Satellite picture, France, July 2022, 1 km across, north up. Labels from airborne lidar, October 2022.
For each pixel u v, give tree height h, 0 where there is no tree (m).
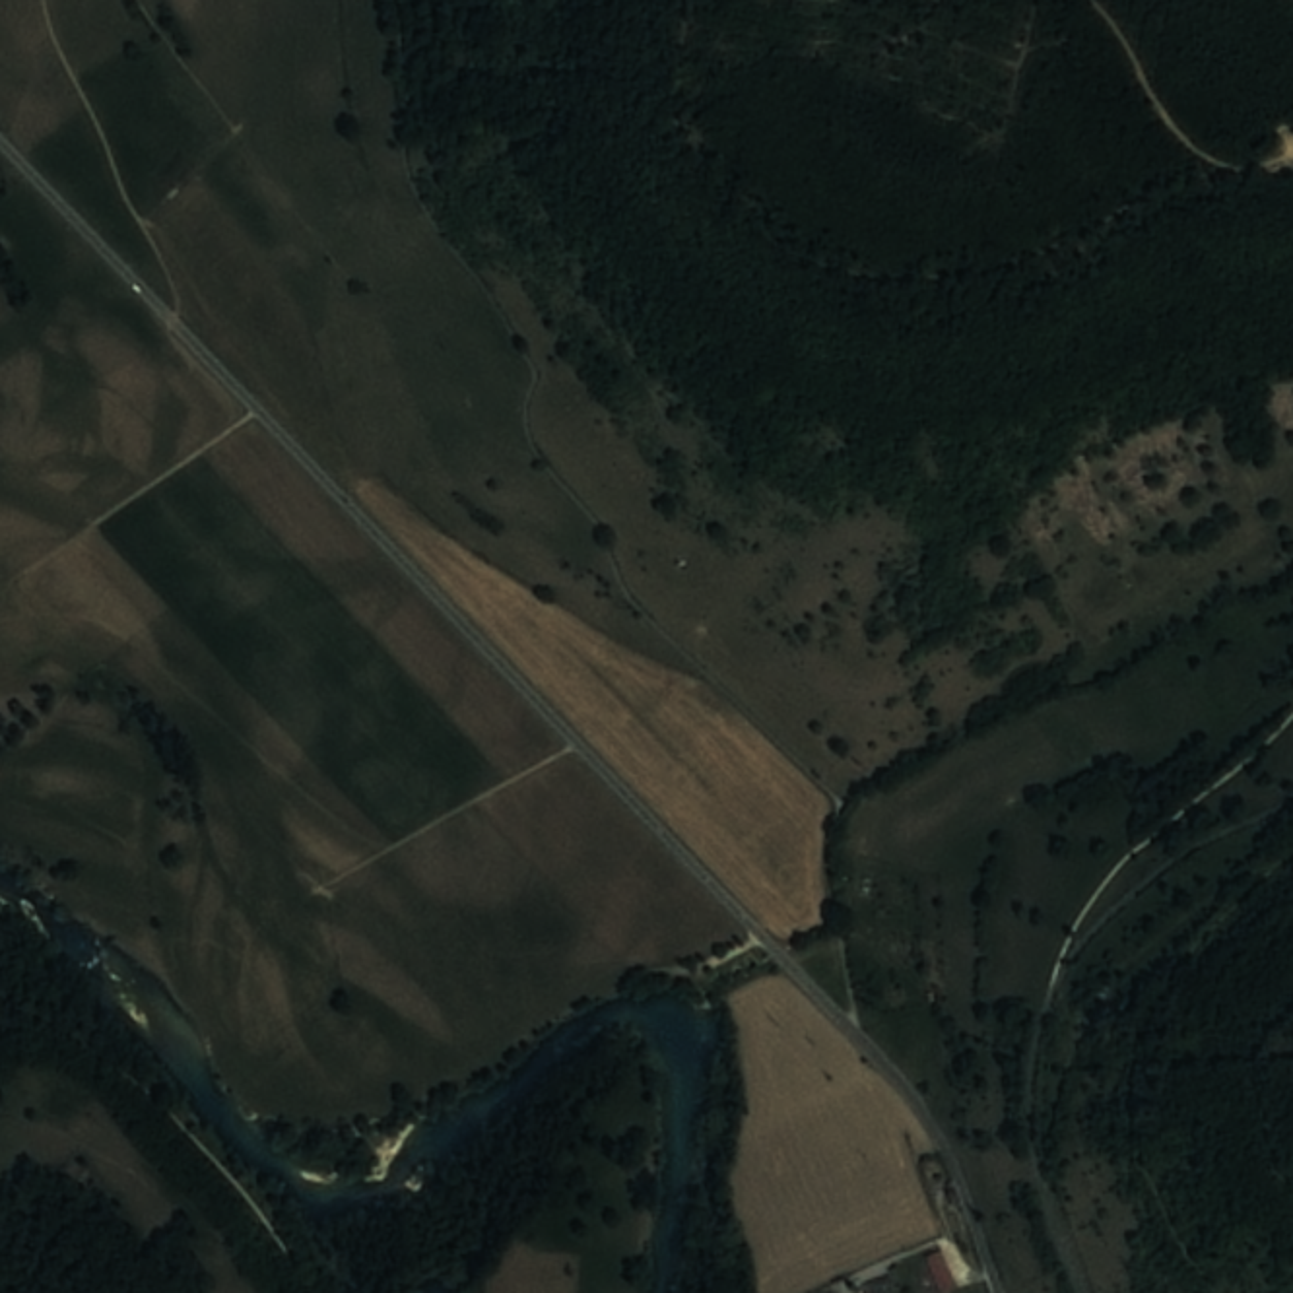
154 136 0
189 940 0
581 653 0
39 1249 24
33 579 0
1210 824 15
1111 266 17
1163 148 9
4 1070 12
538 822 0
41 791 0
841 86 6
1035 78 9
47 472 0
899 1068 0
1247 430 16
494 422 0
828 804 0
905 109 6
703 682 0
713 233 10
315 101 0
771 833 0
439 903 0
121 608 0
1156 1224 8
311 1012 0
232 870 0
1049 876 0
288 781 0
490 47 14
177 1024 0
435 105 17
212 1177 15
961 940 0
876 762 0
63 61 0
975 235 7
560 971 0
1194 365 14
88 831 0
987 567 0
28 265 0
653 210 17
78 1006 35
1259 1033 11
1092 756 0
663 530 0
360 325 0
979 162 6
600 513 0
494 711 0
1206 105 5
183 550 0
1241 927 8
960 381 18
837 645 0
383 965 0
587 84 24
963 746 7
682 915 0
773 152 6
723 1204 14
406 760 0
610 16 24
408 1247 32
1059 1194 8
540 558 0
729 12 7
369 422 0
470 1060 0
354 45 0
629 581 0
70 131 0
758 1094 0
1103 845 11
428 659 0
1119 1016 22
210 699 0
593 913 0
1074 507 0
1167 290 19
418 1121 9
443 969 0
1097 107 9
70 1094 0
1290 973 8
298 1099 0
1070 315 13
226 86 0
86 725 0
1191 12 9
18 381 0
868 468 6
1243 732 0
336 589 0
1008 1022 16
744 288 11
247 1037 0
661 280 17
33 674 0
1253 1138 8
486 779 0
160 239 0
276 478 0
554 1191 27
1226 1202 6
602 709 0
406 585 0
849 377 17
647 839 0
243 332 0
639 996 11
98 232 0
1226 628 0
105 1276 28
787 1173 0
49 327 0
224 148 0
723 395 17
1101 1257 0
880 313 15
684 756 0
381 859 0
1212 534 19
